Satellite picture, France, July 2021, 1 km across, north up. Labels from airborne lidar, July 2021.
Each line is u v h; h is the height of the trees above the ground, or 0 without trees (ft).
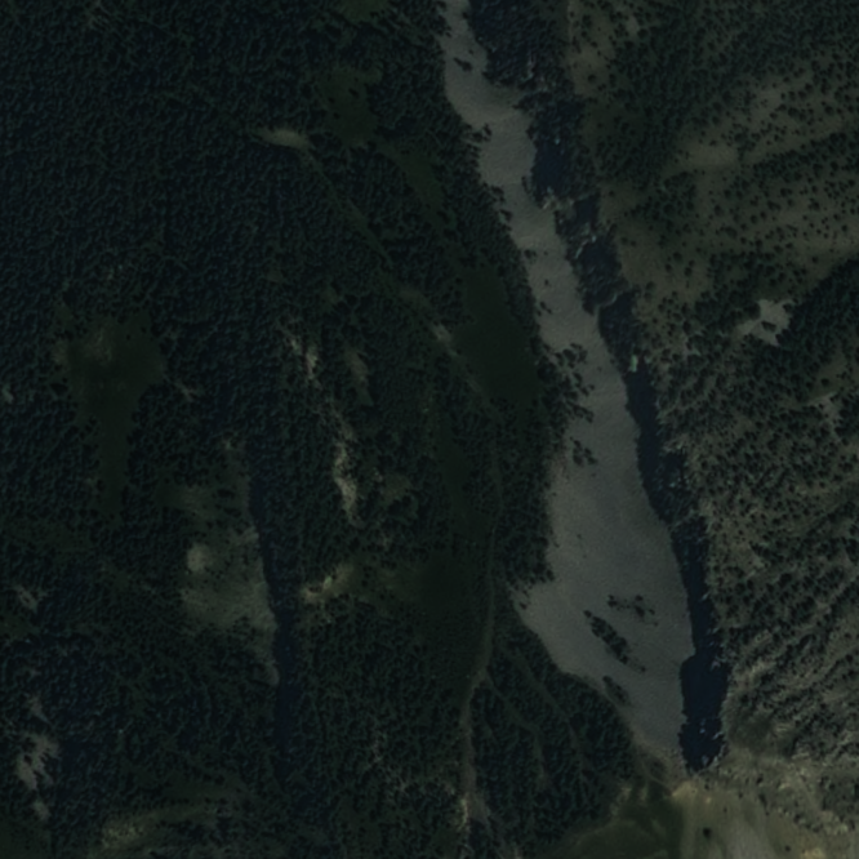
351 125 0
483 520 0
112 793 30
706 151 0
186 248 108
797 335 75
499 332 0
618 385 0
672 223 48
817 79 28
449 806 43
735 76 56
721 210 48
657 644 0
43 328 48
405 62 93
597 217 27
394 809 38
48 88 67
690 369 18
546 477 53
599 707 34
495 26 22
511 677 67
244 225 66
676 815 0
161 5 64
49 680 56
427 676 61
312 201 95
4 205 84
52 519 35
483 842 49
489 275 0
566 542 0
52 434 87
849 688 0
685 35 30
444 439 0
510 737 56
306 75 86
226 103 88
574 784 44
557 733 73
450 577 0
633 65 33
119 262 29
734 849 0
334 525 74
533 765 58
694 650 0
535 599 0
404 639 52
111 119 74
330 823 24
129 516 42
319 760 37
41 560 48
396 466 60
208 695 22
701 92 48
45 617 49
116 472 0
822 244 0
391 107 95
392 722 59
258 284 53
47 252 45
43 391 71
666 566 0
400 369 93
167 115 89
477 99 0
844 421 41
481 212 83
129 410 0
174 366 41
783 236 32
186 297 56
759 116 0
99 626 51
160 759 57
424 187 0
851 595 36
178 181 81
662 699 0
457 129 69
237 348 55
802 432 50
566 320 0
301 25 95
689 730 0
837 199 20
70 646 72
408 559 56
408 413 84
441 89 30
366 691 68
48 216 78
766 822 0
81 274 82
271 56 84
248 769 44
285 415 45
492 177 0
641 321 32
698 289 0
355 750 51
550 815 47
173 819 0
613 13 35
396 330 96
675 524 36
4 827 0
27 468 95
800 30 57
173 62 100
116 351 0
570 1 0
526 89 42
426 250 29
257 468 33
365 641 74
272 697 39
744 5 43
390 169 82
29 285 38
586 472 0
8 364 74
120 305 52
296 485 27
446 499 80
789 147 0
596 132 0
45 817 0
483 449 59
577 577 0
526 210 0
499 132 0
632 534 0
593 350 0
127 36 96
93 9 29
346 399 83
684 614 0
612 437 0
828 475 36
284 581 38
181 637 32
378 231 78
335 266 97
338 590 0
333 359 71
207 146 120
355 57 91
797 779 0
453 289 30
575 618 0
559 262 0
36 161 100
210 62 101
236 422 38
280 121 74
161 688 63
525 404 0
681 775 0
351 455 30
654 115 76
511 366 0
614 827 0
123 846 0
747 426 0
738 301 49
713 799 0
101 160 34
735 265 46
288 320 70
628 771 22
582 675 0
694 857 0
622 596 0
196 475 40
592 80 33
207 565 0
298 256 106
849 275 71
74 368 0
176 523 38
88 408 0
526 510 43
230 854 21
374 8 0
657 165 43
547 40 35
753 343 33
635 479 0
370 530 42
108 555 40
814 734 23
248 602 0
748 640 26
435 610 0
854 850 0
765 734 0
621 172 35
